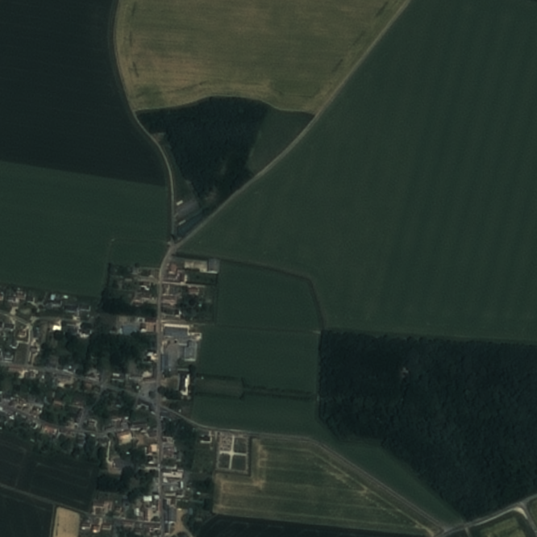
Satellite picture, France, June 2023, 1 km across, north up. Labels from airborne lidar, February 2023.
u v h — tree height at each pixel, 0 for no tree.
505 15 0
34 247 0
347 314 0
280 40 0
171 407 8
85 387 10
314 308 0
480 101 0
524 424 18
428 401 19
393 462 0
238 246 0
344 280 0
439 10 0
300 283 0
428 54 0
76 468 0
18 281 0
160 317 0
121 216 0
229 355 0
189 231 0
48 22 0
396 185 0
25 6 0
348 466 0
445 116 0
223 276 0
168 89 0
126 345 16
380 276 0
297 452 0
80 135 0
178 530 0
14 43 0
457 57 0
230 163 0
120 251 0
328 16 0
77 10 0
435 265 0
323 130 0
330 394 12
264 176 0
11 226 0
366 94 0
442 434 22
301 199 0
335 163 0
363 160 0
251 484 0
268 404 0
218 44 0
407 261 0
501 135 0
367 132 0
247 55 0
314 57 0
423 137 0
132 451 9
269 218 0
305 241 0
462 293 0
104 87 0
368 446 0
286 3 0
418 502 0
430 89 0
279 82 0
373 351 22
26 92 0
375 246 0
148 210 0
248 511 0
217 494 0
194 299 13
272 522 0
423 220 0
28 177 0
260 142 0
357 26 0
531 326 0
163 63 0
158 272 0
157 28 0
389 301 0
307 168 0
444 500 15
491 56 0
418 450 18
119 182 0
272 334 0
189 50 0
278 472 0
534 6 0
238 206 0
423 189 0
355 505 0
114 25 0
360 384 14
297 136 0
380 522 0
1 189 0
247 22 0
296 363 0
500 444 20
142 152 0
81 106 0
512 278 0
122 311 12
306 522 0
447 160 0
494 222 0
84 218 0
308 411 0
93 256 0
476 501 16
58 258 0
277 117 0
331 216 0
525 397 22
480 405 20
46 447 8
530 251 0
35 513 0
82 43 0
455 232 0
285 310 0
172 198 0
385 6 0
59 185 0
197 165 18
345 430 18
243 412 0
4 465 0
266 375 0
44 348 14
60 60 0
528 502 0
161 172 0
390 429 20
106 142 0
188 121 11
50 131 0
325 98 0
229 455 0
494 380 11
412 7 0
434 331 0
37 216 0
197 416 0
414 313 0
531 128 0
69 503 0
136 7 0
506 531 0
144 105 0
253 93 0
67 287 0
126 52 0
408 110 0
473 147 0
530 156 0
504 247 0
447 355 14
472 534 0
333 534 0
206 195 16
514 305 0
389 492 0
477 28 0
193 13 0
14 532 0
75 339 12
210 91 0
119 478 0
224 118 16
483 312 0
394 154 0
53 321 15
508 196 0
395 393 16
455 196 0
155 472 8
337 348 15
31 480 0
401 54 0
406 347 17
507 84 0
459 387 18
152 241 0
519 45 0
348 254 0
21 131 0
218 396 6
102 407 14
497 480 20
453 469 15
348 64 0
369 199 0
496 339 0
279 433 0
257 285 0
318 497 0
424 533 0
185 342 0
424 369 7
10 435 0
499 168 0
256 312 0
